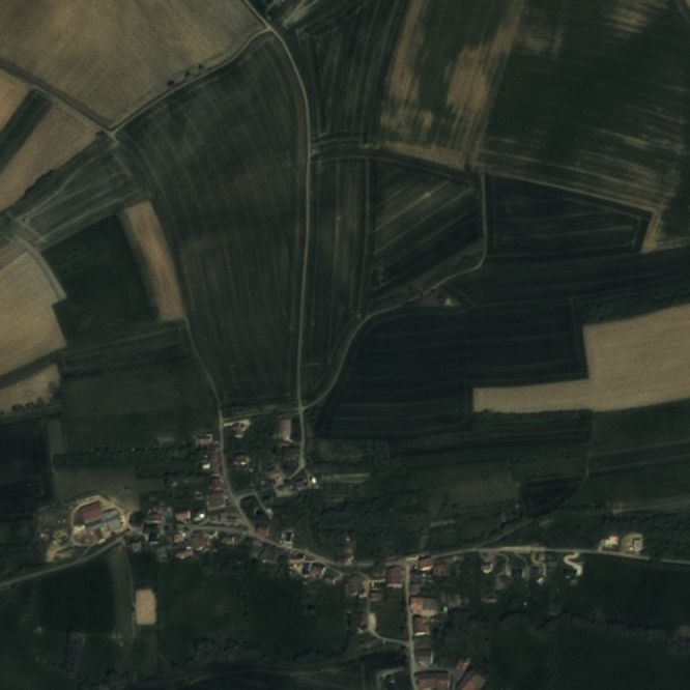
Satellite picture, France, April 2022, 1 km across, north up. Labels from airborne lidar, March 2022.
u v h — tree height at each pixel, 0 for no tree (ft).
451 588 0
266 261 0
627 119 0
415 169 0
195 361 0
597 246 0
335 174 0
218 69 0
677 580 0
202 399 0
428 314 0
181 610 0
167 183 0
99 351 0
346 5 0
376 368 0
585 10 0
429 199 0
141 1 0
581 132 0
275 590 0
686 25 0
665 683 0
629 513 0
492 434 0
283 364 0
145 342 0
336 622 0
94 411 0
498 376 0
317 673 0
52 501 0
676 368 0
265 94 0
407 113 0
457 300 0
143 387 0
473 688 0
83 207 0
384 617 0
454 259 0
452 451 0
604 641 0
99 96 0
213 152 0
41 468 0
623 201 0
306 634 0
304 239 0
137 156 0
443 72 0
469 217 0
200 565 0
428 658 0
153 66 0
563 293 0
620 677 0
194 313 0
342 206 0
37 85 0
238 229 0
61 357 0
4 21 0
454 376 0
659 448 0
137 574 0
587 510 33
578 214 0
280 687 0
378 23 0
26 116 0
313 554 0
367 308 0
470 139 0
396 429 0
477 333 0
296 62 0
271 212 0
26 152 0
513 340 0
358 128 0
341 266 0
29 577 0
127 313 0
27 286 0
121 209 0
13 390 0
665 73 0
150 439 0
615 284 0
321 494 30
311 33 0
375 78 0
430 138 0
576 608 0
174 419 0
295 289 0
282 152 0
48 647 0
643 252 0
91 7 0
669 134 0
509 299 0
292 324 0
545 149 0
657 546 25
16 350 0
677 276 0
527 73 0
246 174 0
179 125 0
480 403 0
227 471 0
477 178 0
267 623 0
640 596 0
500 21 0
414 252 0
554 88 0
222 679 0
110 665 0
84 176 0
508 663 0
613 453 0
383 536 22
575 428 0
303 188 0
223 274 0
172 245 0
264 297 0
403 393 0
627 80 0
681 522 22
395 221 0
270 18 0
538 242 0
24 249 0
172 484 40
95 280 0
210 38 0
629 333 0
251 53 0
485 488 0
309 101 0
